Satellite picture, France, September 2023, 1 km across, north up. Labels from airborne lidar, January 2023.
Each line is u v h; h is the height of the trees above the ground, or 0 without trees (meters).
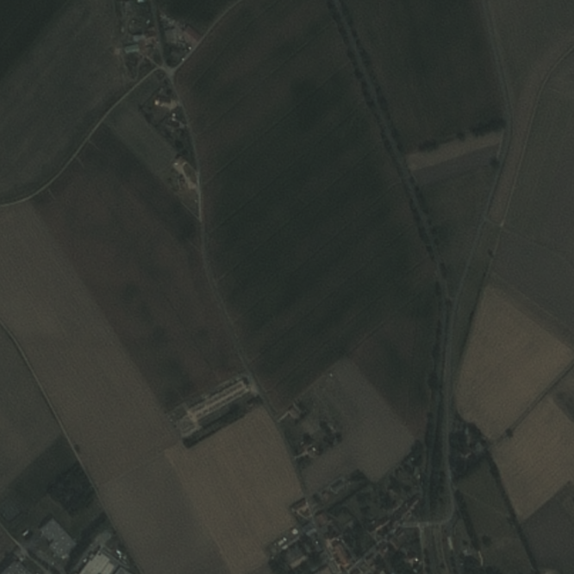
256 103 0
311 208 0
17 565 0
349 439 0
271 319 0
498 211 0
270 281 0
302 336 0
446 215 0
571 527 0
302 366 0
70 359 0
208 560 0
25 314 0
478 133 8
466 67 0
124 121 0
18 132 0
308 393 0
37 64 0
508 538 0
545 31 0
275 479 0
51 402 0
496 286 0
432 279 0
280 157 0
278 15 0
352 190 0
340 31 9
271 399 0
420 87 0
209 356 0
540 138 0
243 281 0
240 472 0
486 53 0
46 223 0
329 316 0
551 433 0
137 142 0
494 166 10
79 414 0
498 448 0
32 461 0
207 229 0
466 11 0
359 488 9
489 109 0
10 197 0
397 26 0
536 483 0
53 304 0
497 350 0
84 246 0
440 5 0
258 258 0
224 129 0
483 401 0
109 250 0
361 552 14
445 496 0
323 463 0
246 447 0
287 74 0
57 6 0
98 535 0
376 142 0
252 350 0
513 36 0
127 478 0
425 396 0
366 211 0
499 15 0
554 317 0
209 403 0
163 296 0
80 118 0
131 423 0
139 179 0
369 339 0
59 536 0
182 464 0
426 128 0
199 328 0
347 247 0
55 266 0
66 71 0
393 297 0
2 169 0
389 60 0
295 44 0
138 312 0
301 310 0
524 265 0
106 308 0
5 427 0
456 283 0
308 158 0
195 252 0
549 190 0
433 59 0
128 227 0
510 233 0
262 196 0
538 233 0
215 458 0
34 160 0
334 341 0
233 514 0
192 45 0
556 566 0
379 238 0
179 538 0
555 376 0
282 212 0
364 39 0
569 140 0
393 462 0
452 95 0
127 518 0
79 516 0
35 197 0
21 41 0
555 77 0
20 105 0
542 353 0
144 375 0
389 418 0
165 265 0
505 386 0
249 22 0
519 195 0
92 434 0
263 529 0
